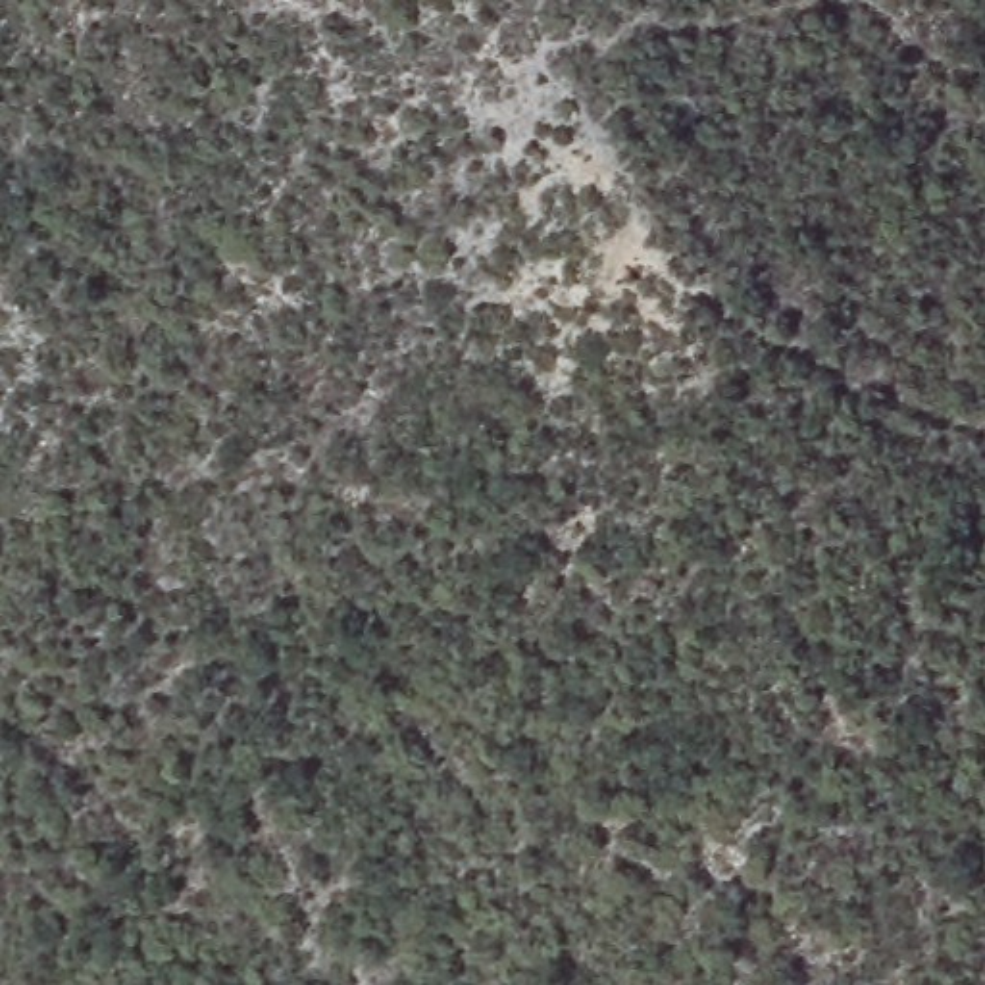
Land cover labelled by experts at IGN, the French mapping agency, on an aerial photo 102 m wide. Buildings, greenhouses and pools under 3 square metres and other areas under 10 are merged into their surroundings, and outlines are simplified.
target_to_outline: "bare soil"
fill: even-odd
[[[573,142],[562,142],[546,154],[550,173],[523,189],[519,204],[527,212],[527,223],[539,219],[546,189],[593,185],[608,192],[619,165],[608,131],[593,123],[589,112],[558,108],[558,100],[569,96],[573,81],[550,65],[558,50],[554,38],[543,38],[535,54],[519,62],[512,58],[500,69],[516,85],[516,100],[485,100],[473,69],[462,73],[458,92],[458,108],[469,115],[473,135],[485,127],[504,127],[504,146],[485,154],[485,165],[493,169],[519,162],[535,123],[558,123],[577,131]]]
[[[558,258],[543,258],[523,262],[512,285],[496,285],[485,277],[466,296],[466,308],[508,304],[512,316],[531,316],[550,312],[558,304],[585,304],[581,285],[566,285],[566,265]]]
[[[500,219],[473,215],[466,227],[458,227],[454,242],[462,258],[485,258],[496,246]]]
[[[631,265],[658,273],[669,265],[662,250],[646,246],[646,223],[627,223],[623,231],[616,231],[612,242],[596,246],[600,292],[612,300],[623,296]]]

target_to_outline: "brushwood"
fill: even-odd
[[[500,69],[512,58],[519,62],[535,54],[543,38],[554,38],[558,50],[550,65],[573,81],[569,96],[558,100],[558,108],[589,112],[593,123],[608,131],[619,165],[608,192],[593,185],[546,189],[539,219],[527,223],[527,212],[519,204],[523,189],[550,173],[546,154],[562,142],[573,142],[577,131],[558,123],[535,123],[519,162],[493,169],[485,165],[485,154],[504,146],[504,127],[485,127],[473,135],[469,115],[458,108],[458,92],[462,73],[473,69],[485,100],[516,100],[516,85]],[[462,258],[454,242],[458,227],[466,227],[473,215],[500,219],[496,246],[485,258]],[[646,246],[662,250],[669,265],[658,273],[631,265],[623,296],[612,300],[600,292],[596,246],[612,242],[616,231],[623,231],[627,223],[646,223]],[[496,285],[512,285],[523,262],[543,258],[558,258],[566,265],[566,285],[581,285],[585,304],[558,304],[550,312],[531,316],[512,316],[508,304],[466,308],[466,296],[485,277]],[[0,0],[0,985],[985,985],[985,0]]]

